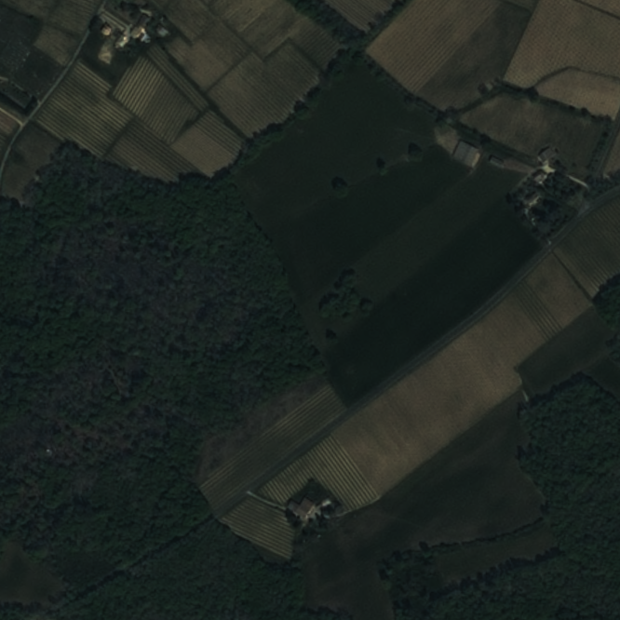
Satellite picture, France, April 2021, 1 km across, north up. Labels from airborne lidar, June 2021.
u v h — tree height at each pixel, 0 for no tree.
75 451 14
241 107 0
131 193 18
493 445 0
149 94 0
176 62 0
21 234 26
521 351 0
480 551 0
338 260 0
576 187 6
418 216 0
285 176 0
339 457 0
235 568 15
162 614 14
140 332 18
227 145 0
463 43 0
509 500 0
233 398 22
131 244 6
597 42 0
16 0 0
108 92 0
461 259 0
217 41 0
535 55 0
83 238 15
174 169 0
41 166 0
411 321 0
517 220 0
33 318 14
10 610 16
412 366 0
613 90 0
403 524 0
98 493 15
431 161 0
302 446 0
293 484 0
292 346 22
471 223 0
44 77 0
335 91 0
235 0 0
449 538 0
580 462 18
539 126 0
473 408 0
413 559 18
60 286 23
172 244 13
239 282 15
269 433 0
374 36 6
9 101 10
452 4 0
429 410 0
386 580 21
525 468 14
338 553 0
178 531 21
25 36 0
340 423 0
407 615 19
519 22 0
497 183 0
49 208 21
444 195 0
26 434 12
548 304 0
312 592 0
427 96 0
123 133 0
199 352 18
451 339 0
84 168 15
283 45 0
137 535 21
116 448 7
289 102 0
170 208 23
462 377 0
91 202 19
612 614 18
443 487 0
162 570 18
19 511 6
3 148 0
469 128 8
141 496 17
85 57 0
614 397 14
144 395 18
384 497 0
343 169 0
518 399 0
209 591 15
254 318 21
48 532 8
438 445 0
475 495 0
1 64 0
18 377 23
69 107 0
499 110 0
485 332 0
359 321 0
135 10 9
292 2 14
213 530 19
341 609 0
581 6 0
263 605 17
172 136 0
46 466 15
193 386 17
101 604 16
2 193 0
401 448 0
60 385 15
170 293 17
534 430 12
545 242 16
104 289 14
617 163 0
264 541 0
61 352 23
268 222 0
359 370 0
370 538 0
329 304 17
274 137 15
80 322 22
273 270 19
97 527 17
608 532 13
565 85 0
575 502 17
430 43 0
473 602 18
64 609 20
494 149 11
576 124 0
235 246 15
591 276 0
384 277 0
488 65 0
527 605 20
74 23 0
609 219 0
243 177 0
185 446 16
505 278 0
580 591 16
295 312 19
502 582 21
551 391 0
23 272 25
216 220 19
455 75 0
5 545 17
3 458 17
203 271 13
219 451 0
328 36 0
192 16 0
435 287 0
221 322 16
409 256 0
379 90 0
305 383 9
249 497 0
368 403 0
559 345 0
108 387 20
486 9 0
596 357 0
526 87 0
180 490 22
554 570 20
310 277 0
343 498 0
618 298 19
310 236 0
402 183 0
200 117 0
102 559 10
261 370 20
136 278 10
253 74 0
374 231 0
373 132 0
